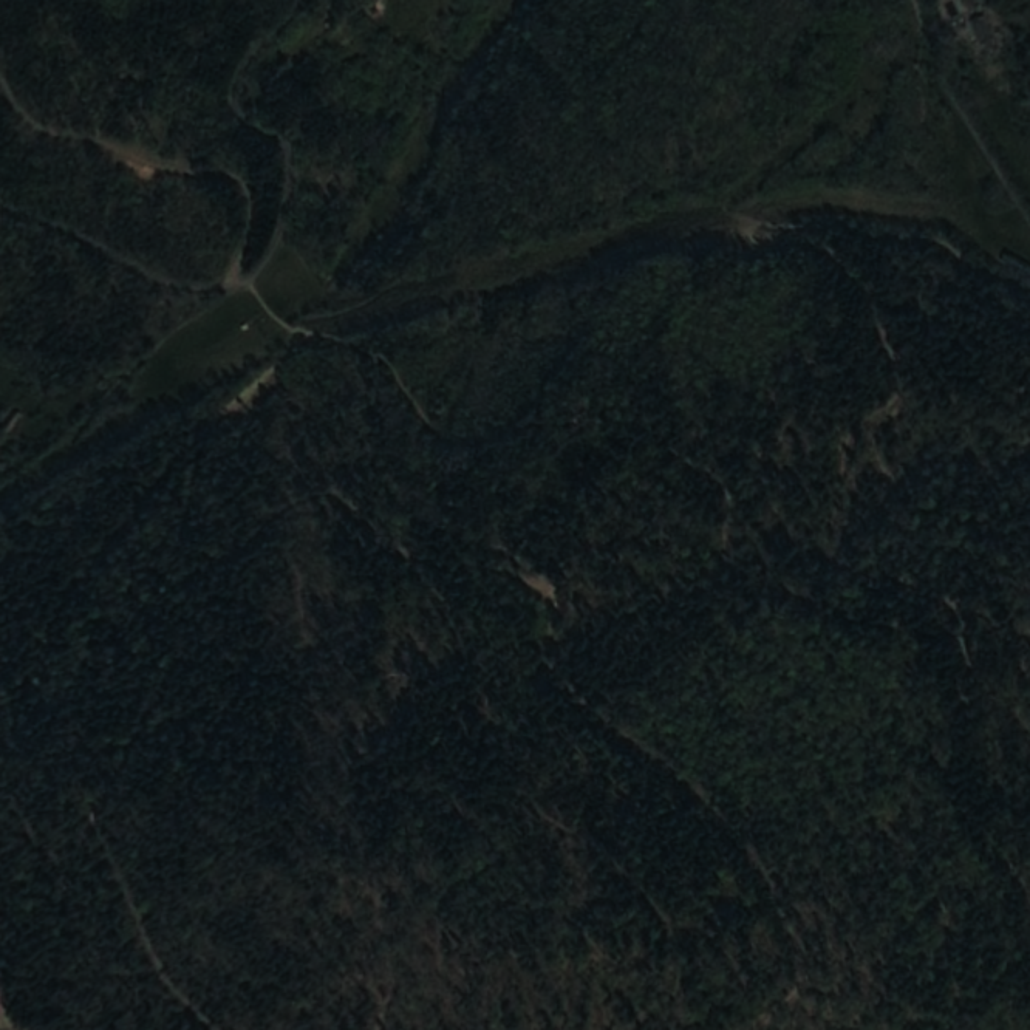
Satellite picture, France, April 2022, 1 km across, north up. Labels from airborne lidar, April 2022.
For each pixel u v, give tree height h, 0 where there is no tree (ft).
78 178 52
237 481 87
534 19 98
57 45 44
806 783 92
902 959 93
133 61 67
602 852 118
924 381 99
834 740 90
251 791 85
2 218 51
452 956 68
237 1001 84
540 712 47
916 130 29
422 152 0
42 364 58
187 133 55
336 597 35
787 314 80
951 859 99
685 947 88
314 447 32
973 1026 91
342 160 66
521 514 100
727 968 89
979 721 109
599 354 88
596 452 52
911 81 31
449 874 100
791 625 103
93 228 39
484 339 72
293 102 105
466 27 48
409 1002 67
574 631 44
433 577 107
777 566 26
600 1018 101
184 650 81
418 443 105
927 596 90
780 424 100
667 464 48
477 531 99
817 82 67
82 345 67
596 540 26
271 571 31
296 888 62
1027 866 83
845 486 62
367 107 65
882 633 94
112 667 95
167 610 91
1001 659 80
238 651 88
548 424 80
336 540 30
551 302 116
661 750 98
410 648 29
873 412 91
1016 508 83
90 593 26
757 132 63
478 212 61
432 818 109
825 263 78
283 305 0
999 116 0
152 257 43
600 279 85
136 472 93
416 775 103
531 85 85
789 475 30
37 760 80
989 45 0
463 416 72
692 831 103
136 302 60
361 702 106
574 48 63
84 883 90
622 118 73
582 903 74
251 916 65
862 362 104
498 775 107
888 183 70
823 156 55
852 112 50
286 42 50
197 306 44
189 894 71
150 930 50
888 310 97
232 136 73
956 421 60
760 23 103
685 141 89
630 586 115
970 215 0
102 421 52
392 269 72
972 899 95
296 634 40
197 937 75
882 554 111
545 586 0
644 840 101
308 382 25
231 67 82
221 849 67
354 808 31
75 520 83
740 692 107
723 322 82
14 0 32
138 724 83
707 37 87
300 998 82
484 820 104
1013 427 70
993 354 102
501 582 22
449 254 62
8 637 53
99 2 56
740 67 96
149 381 0
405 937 80
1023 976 98
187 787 64
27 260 48
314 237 66
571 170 87
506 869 97
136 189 45
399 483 104
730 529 70
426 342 46
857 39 60
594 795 45
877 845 105
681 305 76
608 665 120
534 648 34
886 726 100
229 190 76
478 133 86
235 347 0
